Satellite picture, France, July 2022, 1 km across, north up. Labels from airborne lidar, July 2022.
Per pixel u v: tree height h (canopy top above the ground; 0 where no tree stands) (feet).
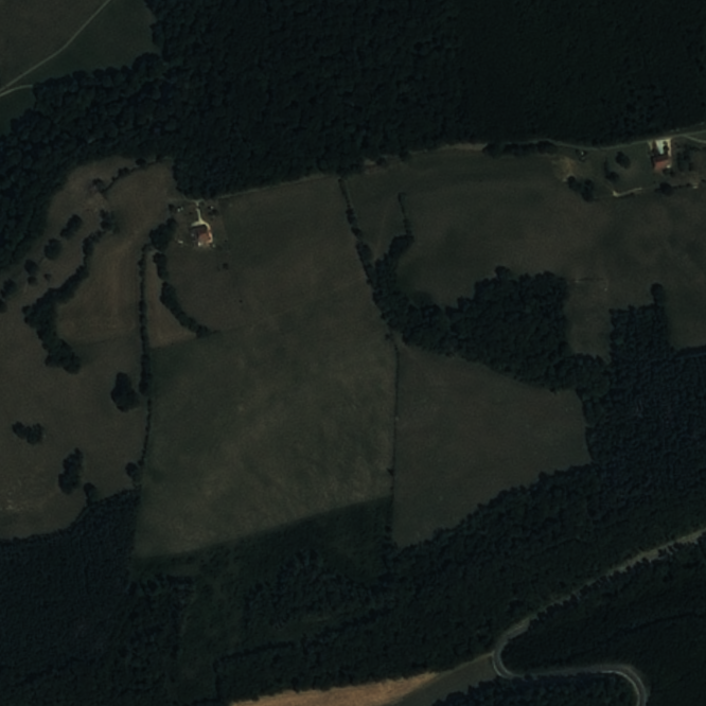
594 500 53
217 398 0
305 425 0
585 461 0
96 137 56
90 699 61
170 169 0
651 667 64
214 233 0
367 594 74
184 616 60
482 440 0
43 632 58
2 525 0
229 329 0
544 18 32
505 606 67
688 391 62
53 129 98
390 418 0
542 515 58
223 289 0
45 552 57
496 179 0
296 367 0
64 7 0
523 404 0
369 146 85
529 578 68
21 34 0
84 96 112
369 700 0
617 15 24
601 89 24
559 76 29
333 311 0
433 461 0
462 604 69
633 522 55
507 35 41
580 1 27
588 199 59
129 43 0
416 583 39
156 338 0
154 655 59
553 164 0
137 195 0
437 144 76
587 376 81
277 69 84
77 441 0
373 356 0
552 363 92
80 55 0
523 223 0
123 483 0
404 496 0
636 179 0
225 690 76
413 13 82
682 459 63
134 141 86
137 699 68
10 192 25
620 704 92
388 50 93
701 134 0
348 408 0
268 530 0
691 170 21
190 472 0
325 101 88
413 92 62
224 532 0
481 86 54
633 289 0
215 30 76
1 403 0
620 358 54
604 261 0
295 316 0
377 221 0
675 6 21
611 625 43
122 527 50
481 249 0
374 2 92
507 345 73
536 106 39
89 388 0
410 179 0
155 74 93
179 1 77
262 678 77
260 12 48
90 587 58
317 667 74
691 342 0
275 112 86
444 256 0
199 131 80
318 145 81
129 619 21
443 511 0
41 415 0
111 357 0
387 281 79
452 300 0
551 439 0
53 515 0
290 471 0
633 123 46
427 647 93
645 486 83
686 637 46
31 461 0
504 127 51
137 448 0
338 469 0
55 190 34
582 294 0
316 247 0
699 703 38
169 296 52
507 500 62
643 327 52
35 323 49
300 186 0
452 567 81
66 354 67
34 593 54
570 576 81
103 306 0
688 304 0
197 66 87
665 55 47
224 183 64
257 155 87
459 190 0
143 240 0
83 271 45
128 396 81
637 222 0
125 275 0
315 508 0
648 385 70
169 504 0
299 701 0
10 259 55
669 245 0
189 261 0
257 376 0
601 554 69
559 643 39
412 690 0
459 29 45
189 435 0
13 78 0
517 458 0
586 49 22
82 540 47
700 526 60
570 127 24
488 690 85
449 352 63
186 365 0
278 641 0
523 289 68
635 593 95
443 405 0
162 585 73
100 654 53
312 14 68
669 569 94
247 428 0
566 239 0
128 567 61
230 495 0
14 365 0
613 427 52
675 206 0
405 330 56
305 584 66
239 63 86
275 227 0
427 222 0
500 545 68
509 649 36
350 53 86
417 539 0
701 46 26
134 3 0
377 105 97
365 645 74
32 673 54
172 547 0
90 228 0
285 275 0
